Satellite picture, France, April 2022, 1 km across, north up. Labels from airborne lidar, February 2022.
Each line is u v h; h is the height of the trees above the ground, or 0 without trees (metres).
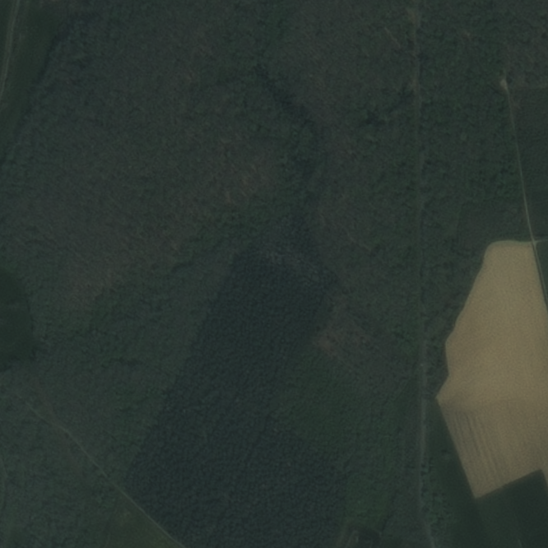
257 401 31
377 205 30
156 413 25
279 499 31
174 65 31
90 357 26
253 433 32
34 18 0
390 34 30
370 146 27
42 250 27
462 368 0
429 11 23
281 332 28
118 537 0
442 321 28
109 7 29
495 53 27
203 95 29
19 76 0
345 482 22
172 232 31
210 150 30
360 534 0
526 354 0
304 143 29
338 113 27
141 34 24
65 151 23
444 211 28
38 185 28
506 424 0
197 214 29
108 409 26
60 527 28
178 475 30
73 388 31
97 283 28
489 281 0
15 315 0
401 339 21
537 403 0
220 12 25
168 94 33
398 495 17
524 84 0
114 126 27
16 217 29
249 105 28
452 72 27
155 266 29
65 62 32
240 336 29
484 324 0
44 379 22
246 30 32
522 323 0
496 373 0
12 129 0
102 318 25
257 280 32
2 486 23
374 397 15
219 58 31
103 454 28
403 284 31
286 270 26
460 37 32
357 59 27
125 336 26
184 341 26
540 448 0
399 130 29
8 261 20
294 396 17
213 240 23
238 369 32
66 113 27
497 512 0
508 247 0
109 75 29
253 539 27
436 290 30
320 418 12
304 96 30
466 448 0
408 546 0
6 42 0
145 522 0
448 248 28
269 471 30
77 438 23
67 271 27
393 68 29
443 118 26
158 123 31
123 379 25
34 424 20
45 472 20
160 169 32
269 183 30
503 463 0
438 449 0
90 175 28
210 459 32
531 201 0
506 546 0
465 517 0
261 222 14
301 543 23
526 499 0
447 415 0
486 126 29
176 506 33
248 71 28
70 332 25
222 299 17
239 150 28
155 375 25
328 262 26
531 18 29
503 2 26
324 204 27
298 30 28
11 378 15
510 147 23
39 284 26
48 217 28
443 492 0
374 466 20
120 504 0
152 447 28
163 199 31
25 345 0
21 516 24
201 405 8
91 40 30
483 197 26
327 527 28
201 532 33
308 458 33
